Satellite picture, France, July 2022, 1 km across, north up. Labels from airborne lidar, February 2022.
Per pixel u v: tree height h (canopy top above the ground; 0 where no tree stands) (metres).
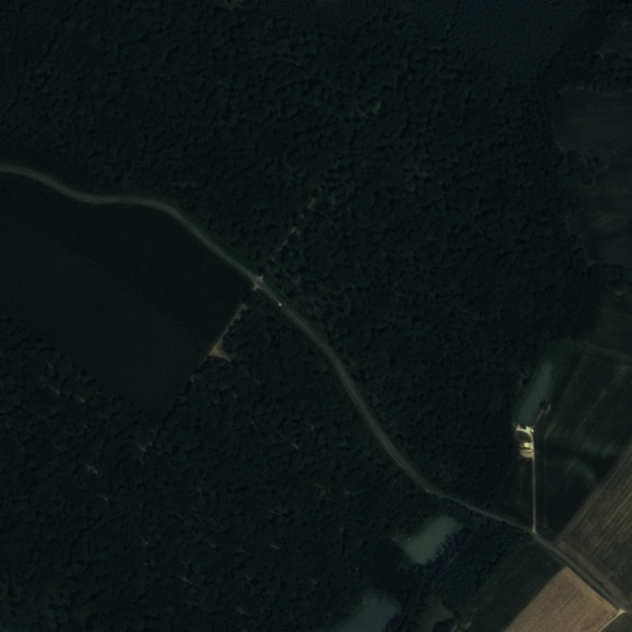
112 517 21
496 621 0
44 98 23
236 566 17
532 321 21
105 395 22
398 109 24
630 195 0
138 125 20
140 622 27
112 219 7
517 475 0
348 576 23
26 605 30
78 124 28
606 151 0
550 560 0
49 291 13
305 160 25
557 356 0
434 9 23
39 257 11
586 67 22
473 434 23
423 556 0
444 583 24
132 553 23
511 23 17
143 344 11
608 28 23
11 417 25
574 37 21
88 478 22
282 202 27
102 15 23
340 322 29
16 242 10
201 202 28
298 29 23
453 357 25
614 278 17
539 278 24
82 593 29
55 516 23
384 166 31
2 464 28
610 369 0
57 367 25
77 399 23
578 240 18
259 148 25
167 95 28
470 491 25
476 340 24
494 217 31
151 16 24
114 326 11
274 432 30
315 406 22
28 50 20
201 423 28
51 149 22
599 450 0
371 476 24
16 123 22
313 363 27
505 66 24
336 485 25
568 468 0
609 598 0
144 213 6
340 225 26
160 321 10
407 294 29
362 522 23
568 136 0
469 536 28
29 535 26
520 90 23
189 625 29
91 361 11
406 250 31
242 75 24
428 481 0
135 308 10
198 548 28
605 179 0
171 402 7
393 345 24
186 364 11
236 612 21
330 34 14
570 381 0
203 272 5
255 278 0
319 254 28
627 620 0
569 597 0
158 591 28
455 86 29
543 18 25
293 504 22
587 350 0
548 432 0
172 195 19
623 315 0
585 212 0
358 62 28
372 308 27
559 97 15
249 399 26
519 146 26
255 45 27
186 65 21
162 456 22
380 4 24
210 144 19
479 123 26
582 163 20
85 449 20
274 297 0
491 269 25
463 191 26
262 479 27
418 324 30
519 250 22
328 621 23
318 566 21
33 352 29
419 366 23
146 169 20
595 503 0
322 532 23
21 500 26
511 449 22
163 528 21
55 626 29
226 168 26
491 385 26
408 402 28
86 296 11
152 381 11
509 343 23
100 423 21
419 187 22
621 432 0
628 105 0
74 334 13
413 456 22
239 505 24
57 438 25
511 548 20
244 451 23
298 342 30
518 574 0
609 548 0
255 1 19
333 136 24
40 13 16
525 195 29
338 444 22
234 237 22
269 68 17
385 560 23
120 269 7
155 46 26
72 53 23
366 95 26
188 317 6
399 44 21
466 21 21
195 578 24
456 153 28
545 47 26
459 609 18
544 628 0
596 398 0
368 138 24
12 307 11
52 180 0
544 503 0
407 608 21
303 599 26
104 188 10
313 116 26
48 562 30
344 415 24
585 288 14
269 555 24
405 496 17
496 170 29
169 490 25
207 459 25
